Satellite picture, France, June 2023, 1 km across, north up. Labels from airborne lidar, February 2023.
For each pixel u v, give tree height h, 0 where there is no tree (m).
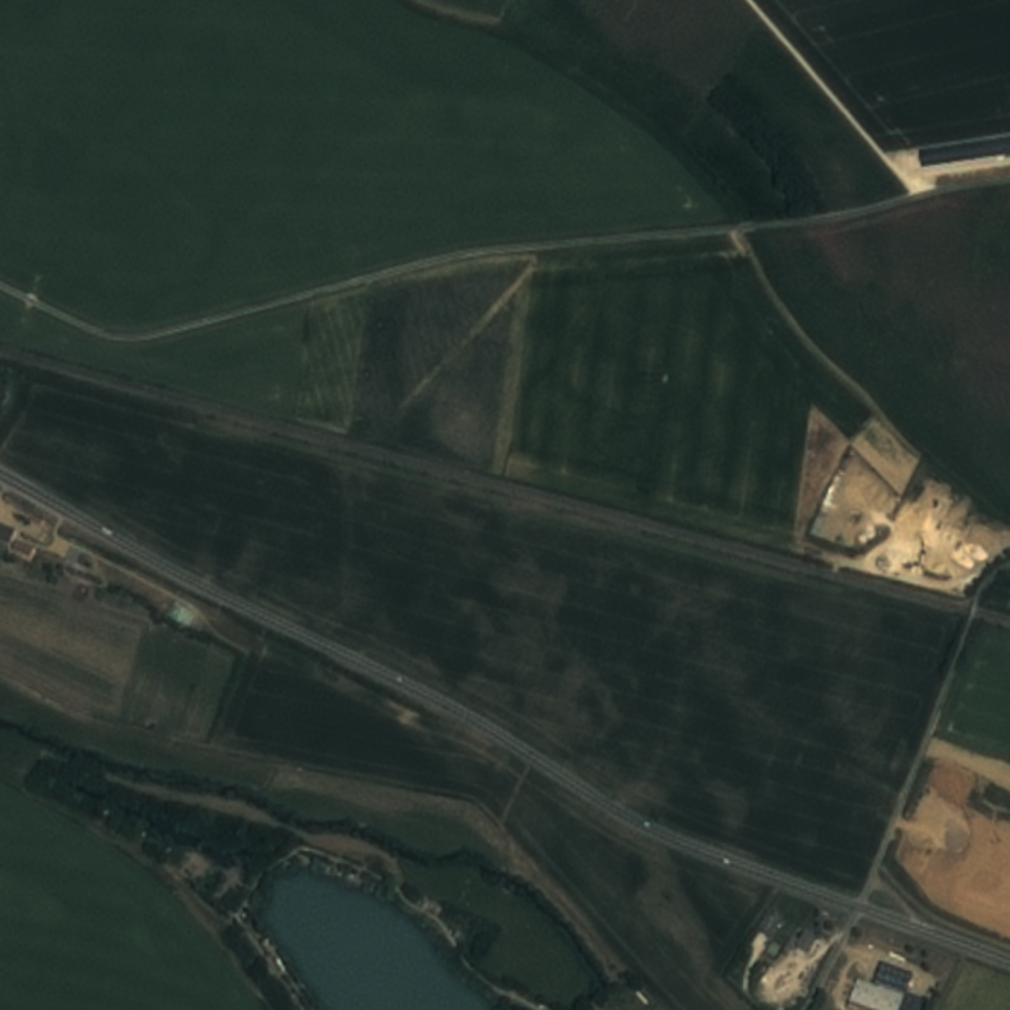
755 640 0
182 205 0
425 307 0
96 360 0
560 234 0
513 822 0
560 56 0
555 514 0
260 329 0
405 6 0
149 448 0
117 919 0
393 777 0
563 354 0
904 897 0
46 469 0
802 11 0
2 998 0
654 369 0
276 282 0
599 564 0
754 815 0
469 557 0
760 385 0
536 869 0
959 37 0
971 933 0
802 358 0
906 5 0
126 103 0
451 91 0
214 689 0
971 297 0
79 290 0
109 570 0
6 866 0
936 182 0
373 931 0
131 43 0
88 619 0
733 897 0
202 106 0
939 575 0
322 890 0
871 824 0
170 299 0
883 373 0
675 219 0
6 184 0
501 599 0
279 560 0
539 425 0
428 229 0
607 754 0
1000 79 0
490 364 0
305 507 0
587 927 0
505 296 0
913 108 0
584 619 0
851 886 0
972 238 0
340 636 0
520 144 0
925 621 0
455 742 0
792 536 0
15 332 0
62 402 0
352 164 0
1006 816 0
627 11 0
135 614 0
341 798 0
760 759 0
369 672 0
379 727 0
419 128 0
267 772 0
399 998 0
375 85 0
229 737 0
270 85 0
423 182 0
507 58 0
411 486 0
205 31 0
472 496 0
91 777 8
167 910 0
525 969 0
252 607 0
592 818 0
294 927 0
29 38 0
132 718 0
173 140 0
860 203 0
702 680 0
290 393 0
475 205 0
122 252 0
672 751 0
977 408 0
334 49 0
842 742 0
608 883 0
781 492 0
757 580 0
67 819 0
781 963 0
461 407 0
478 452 0
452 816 0
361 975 0
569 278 0
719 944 0
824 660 0
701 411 0
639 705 0
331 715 0
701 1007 0
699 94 0
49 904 0
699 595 0
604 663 0
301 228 0
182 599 0
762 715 0
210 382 0
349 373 0
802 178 16
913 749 0
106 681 0
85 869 0
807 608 0
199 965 0
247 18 0
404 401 0
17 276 0
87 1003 0
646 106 0
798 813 0
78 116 0
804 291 0
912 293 0
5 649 0
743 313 0
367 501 0
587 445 0
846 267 0
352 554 0
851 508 0
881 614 0
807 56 0
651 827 0
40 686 0
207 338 0
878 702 0
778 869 0
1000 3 0
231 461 0
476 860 12
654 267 0
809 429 0
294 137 0
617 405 0
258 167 0
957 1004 0
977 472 0
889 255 0
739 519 0
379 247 0
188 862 0
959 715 0
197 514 0
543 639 0
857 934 13
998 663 0
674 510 0
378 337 0
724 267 0
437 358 0
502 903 0
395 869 0
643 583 0
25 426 0
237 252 0
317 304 0
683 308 0
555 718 0
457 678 0
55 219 0
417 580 0
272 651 0
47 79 0
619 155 0
